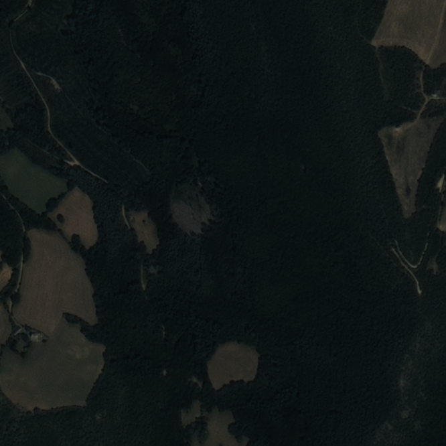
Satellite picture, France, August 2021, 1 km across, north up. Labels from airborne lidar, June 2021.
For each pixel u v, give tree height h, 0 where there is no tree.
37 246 0
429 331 6
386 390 12
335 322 16
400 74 8
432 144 6
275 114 11
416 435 16
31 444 13
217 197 24
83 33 17
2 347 10
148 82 8
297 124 15
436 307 6
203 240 19
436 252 6
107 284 22
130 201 14
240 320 21
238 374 0
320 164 17
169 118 12
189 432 20
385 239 7
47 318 0
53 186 0
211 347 30
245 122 18
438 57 0
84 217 0
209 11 17
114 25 9
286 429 27
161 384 13
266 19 15
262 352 13
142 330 14
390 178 8
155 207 12
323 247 16
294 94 16
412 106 6
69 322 8
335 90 9
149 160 17
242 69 18
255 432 18
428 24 0
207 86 22
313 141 14
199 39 16
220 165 15
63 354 0
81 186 20
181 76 10
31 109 20
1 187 13
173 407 20
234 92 21
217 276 20
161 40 10
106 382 7
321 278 15
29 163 0
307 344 7
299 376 24
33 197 0
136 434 10
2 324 0
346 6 6
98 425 9
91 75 28
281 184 13
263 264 16
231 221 28
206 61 18
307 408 23
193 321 25
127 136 22
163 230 17
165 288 10
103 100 29
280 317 20
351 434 8
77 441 10
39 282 0
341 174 10
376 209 7
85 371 0
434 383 15
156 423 13
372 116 8
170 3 8
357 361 13
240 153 15
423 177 6
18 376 0
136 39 11
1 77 0
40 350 0
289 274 17
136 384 10
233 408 18
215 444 0
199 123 25
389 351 8
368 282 14
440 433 20
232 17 15
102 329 16
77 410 11
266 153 13
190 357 17
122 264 16
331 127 9
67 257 0
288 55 16
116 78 19
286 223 21
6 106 13
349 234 13
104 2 12
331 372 17
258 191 17
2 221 16
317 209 13
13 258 14
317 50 13
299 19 14
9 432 8
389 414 6
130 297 34
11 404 7
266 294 13
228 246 22
